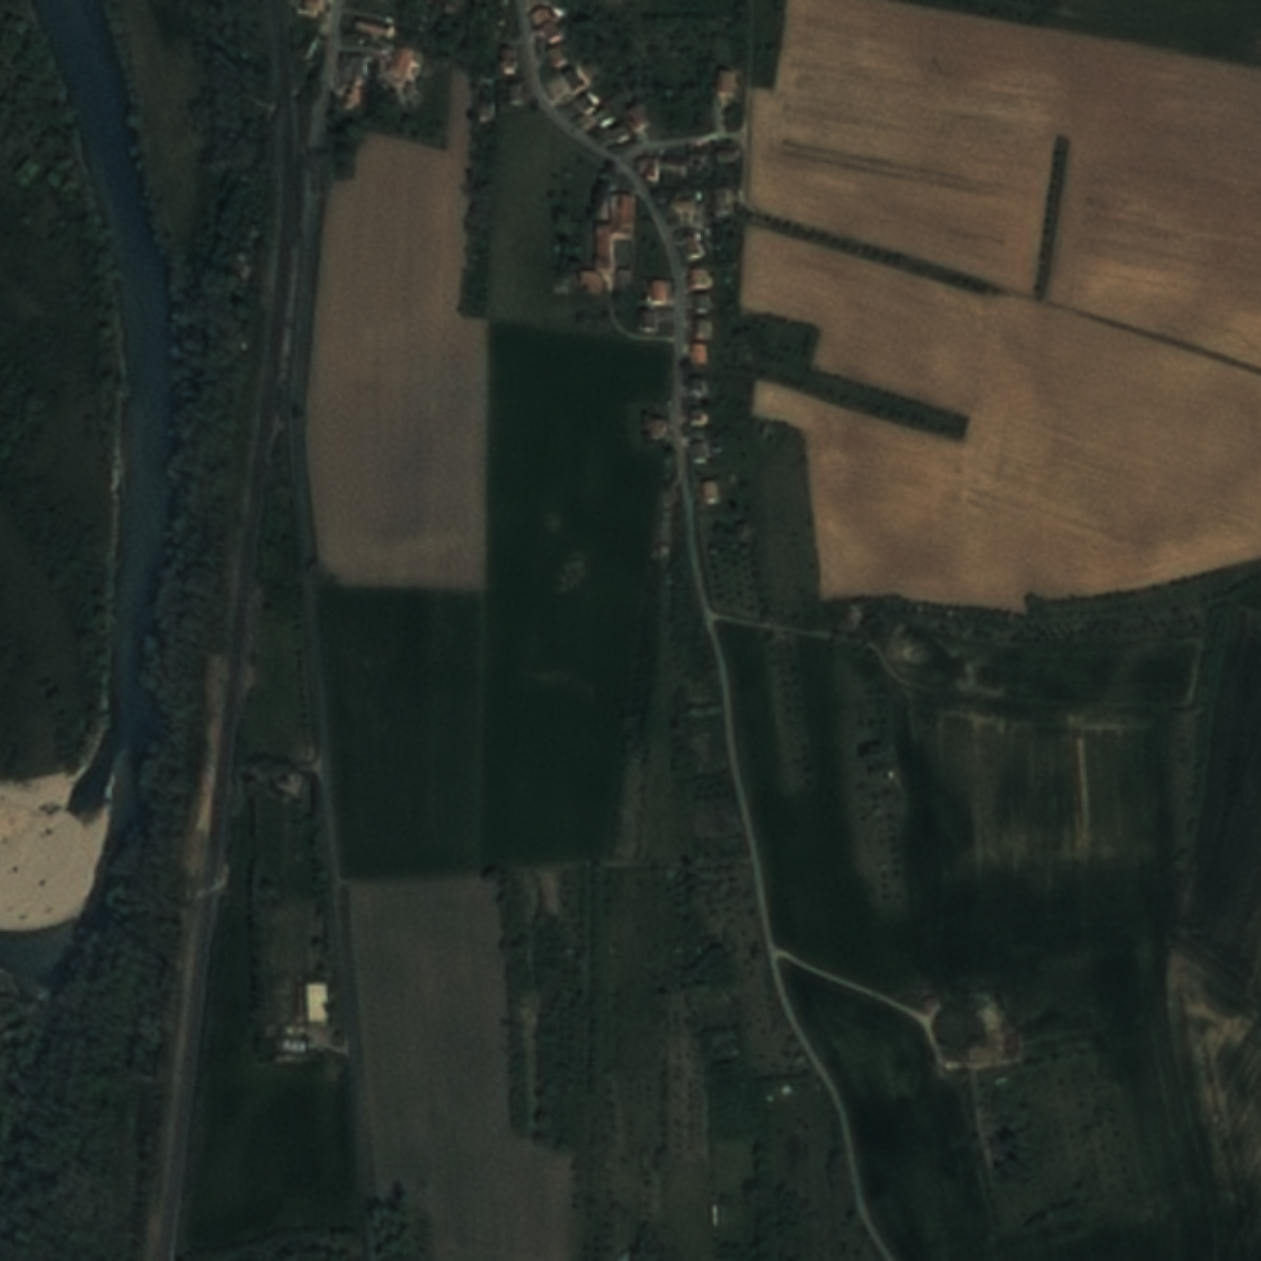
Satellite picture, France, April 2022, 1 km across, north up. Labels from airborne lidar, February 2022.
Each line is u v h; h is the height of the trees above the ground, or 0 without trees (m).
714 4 0
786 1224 6
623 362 0
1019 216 0
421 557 0
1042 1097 0
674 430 0
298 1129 0
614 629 0
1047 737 0
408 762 0
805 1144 0
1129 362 0
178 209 0
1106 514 0
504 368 0
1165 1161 0
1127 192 0
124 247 0
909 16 0
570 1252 0
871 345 0
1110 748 0
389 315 0
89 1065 20
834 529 0
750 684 0
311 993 0
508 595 0
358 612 0
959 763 0
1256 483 0
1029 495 0
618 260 0
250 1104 0
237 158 22
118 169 0
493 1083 0
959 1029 0
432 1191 0
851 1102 0
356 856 0
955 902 0
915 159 0
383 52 0
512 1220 0
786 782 0
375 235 0
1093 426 0
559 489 0
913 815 0
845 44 0
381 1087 0
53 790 0
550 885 0
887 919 0
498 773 0
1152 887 0
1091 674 0
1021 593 0
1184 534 0
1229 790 0
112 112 0
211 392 27
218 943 0
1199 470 0
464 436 0
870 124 0
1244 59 0
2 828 0
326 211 0
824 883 0
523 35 0
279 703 0
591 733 0
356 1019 0
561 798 0
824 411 0
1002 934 0
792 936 0
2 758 0
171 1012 16
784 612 0
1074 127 0
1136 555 0
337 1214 0
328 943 8
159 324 0
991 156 0
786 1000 0
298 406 0
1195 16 0
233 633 0
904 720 0
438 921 0
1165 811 0
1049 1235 0
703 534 0
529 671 0
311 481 0
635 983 0
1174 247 0
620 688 0
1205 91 0
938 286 0
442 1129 0
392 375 0
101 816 0
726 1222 0
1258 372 0
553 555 0
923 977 0
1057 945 0
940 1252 0
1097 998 0
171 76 0
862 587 0
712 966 7
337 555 0
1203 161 0
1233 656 0
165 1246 0
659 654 0
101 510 0
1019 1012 0
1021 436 0
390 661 0
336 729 0
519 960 11
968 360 0
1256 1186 0
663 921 0
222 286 25
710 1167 0
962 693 0
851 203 0
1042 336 0
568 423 0
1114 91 0
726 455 0
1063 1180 0
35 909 0
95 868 0
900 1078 0
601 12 6
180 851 18
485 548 0
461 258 0
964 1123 0
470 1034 0
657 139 0
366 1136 0
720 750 0
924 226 0
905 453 0
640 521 0
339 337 0
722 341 0
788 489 0
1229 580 0
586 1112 0
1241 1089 0
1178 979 0
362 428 0
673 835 0
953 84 0
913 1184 0
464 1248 0
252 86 23
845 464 0
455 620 0
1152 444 0
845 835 0
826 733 0
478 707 0
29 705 0
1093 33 0
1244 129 0
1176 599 0
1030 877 0
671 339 0
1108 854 0
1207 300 0
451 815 0
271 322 0
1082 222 0
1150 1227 0
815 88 0
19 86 7
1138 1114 0
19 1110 18
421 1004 0
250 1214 0
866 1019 0
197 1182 0
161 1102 7
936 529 0
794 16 0
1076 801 0
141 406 0
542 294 0
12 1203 28
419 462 0
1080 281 0
